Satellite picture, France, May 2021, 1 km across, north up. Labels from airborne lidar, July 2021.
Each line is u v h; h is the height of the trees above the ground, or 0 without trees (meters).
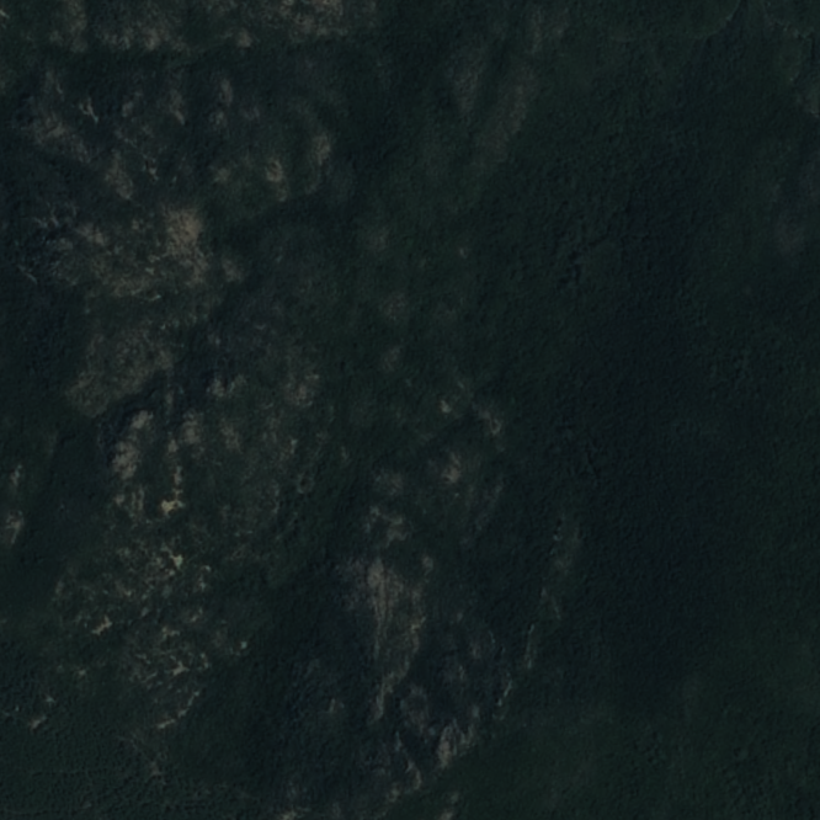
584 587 7
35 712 12
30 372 14
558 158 8
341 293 7
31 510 8
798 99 8
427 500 6
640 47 9
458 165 7
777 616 10
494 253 8
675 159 9
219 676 8
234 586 17
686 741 9
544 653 9
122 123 5
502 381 10
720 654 9
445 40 11
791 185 7
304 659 6
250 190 6
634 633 12
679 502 13
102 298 6
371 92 6
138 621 10
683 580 12
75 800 10
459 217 7
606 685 7
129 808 13
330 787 7
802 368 12
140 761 12
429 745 7
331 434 6
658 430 11
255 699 8
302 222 6
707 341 12
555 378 13
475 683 6
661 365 13
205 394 6
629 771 9
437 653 5
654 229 15
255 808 6
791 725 9
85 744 12
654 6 14
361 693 6
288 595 8
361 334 8
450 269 5
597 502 16
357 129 6
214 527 7
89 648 8
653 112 21
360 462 11
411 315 7
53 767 11
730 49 8
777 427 10
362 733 9
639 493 14
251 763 10
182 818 15
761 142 11
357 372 17
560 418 15
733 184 7
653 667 9
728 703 10
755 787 11
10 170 8
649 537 14
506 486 7
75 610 6
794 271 6
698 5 9
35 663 11
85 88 6
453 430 7
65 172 8
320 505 7
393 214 8
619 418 14
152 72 6
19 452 9
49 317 5
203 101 7
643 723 7
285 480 7
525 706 8
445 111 12
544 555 8
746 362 17
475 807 6
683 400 12
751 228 9
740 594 9
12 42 6
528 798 7
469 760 10
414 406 9
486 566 9
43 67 6
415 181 9
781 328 10
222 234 7
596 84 7
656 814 8
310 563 13
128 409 11
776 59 6
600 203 7
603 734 8
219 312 8
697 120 10
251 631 7
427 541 6
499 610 7
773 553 9
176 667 7
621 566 10
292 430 6
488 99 7
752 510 9
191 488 7
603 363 15
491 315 11
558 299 9
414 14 13
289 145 6
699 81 10
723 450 8
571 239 16
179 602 11
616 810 11
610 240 12
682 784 6
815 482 12
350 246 7
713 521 9
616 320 17
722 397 13
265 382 8
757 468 11
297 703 9
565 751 7
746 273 8
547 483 10
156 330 6
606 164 8
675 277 14
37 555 10
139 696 8
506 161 6
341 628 6
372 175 9
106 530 6
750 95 10
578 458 16
